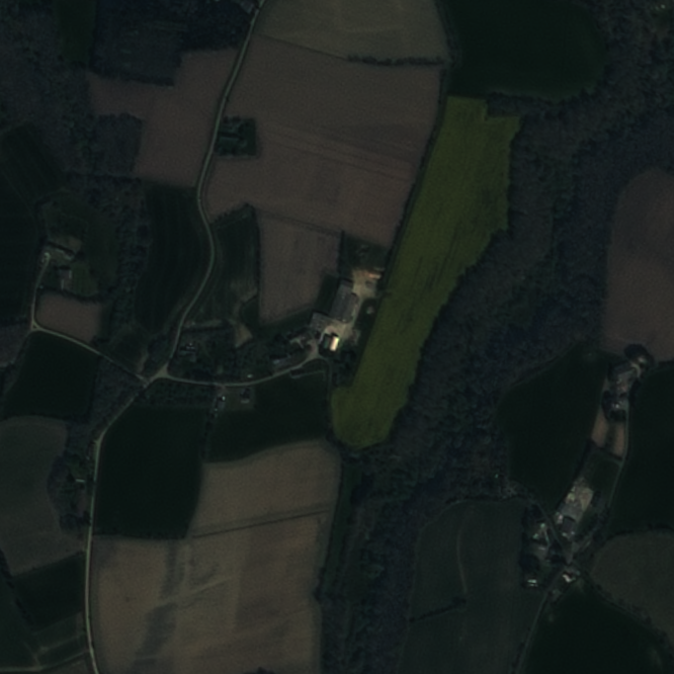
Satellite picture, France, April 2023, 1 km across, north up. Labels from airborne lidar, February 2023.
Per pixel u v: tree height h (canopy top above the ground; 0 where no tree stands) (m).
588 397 0
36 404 0
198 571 0
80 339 0
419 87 0
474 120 0
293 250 0
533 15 0
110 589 0
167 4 30
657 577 0
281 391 0
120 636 0
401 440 25
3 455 0
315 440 0
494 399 9
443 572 0
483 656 0
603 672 0
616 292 0
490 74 0
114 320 11
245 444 0
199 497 0
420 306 0
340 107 0
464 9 0
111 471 0
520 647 6
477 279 23
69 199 0
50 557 0
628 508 0
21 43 10
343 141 0
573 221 23
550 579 9
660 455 0
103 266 0
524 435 0
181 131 0
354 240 0
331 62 0
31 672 0
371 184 0
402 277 0
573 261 24
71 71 15
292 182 0
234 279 0
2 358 13
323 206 0
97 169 15
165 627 0
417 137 0
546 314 20
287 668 0
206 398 7
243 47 0
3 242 0
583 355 0
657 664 0
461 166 0
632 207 0
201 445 10
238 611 0
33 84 20
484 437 14
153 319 0
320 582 12
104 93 0
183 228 0
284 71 0
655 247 0
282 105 0
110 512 0
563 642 0
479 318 28
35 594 0
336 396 0
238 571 0
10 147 0
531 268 17
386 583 23
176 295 0
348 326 0
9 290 0
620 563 0
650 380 0
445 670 0
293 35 0
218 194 0
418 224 0
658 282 0
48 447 0
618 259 0
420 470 26
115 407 16
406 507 23
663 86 23
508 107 16
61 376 0
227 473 0
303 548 0
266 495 0
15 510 0
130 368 0
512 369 17
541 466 0
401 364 0
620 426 0
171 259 0
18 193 0
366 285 0
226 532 0
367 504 9
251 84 0
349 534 11
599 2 6
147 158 0
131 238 9
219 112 0
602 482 0
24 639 0
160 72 18
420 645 0
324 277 0
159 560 0
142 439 0
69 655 0
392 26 0
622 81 18
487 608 0
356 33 0
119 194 8
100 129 19
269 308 0
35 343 0
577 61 0
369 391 0
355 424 0
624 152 23
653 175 0
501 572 0
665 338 0
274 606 0
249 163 0
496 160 0
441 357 32
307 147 0
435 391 25
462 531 0
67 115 10
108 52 16
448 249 0
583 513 0
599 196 21
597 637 0
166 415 0
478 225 0
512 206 14
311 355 0
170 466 0
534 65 0
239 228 0
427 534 0
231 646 0
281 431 0
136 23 15
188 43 17
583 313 22
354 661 12
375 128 0
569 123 26
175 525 0
